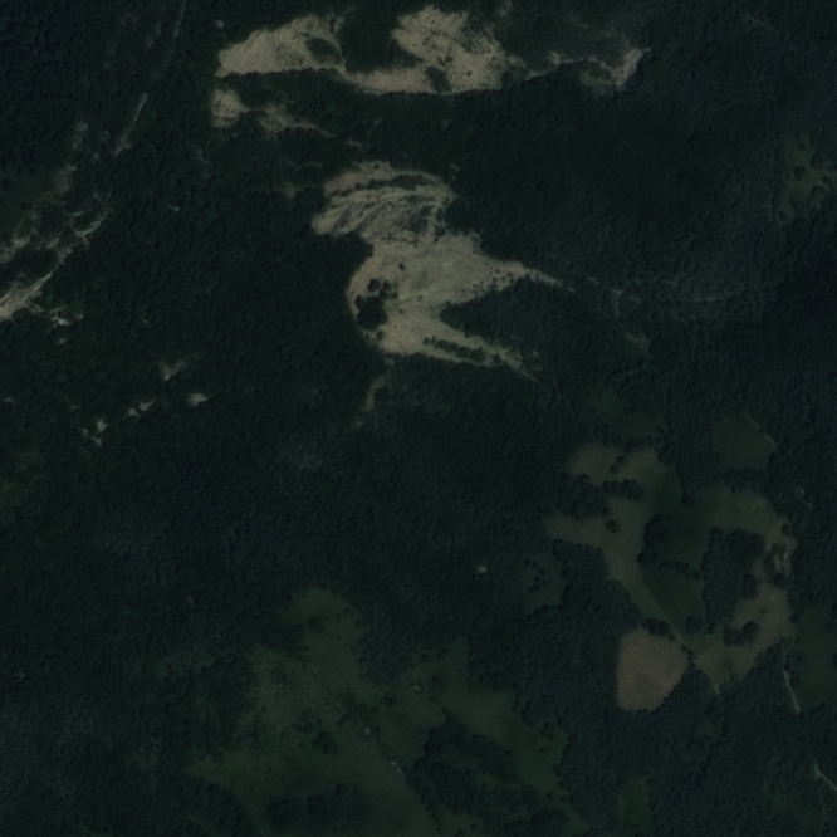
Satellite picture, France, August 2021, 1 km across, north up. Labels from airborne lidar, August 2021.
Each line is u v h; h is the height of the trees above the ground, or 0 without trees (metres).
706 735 7
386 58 11
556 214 18
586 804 13
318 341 22
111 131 14
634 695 0
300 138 18
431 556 6
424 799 9
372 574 10
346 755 0
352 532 24
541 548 21
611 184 15
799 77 17
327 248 14
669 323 12
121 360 21
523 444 17
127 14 9
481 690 0
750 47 13
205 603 22
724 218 14
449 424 22
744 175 14
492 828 9
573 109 19
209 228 11
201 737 6
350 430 7
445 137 17
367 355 9
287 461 11
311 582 11
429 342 9
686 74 13
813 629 0
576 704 11
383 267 0
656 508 0
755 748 20
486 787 9
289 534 25
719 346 14
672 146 19
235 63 0
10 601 19
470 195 7
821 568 13
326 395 19
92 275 17
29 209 7
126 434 18
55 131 11
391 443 17
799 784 7
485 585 14
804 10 11
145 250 23
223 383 18
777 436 12
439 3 8
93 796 16
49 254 16
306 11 21
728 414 10
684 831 21
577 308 17
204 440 24
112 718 11
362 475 24
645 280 15
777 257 10
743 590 16
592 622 20
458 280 0
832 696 0
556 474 23
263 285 21
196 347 14
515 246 19
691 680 13
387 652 10
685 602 0
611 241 10
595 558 15
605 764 10
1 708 19
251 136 27
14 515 6
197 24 29
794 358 32
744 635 10
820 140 11
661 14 14
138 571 31
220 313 23
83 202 8
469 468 17
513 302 15
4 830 11
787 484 15
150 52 8
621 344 7
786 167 11
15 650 21
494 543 10
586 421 13
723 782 17
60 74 16
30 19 20
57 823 6
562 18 8
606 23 10
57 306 11
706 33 11
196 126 20
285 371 16
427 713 0
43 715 8
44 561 19
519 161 19
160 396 14
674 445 20
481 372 17
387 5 21
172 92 19
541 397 8
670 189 17
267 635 17
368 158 9
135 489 23
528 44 9
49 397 14
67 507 16
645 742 13
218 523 24
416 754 0
